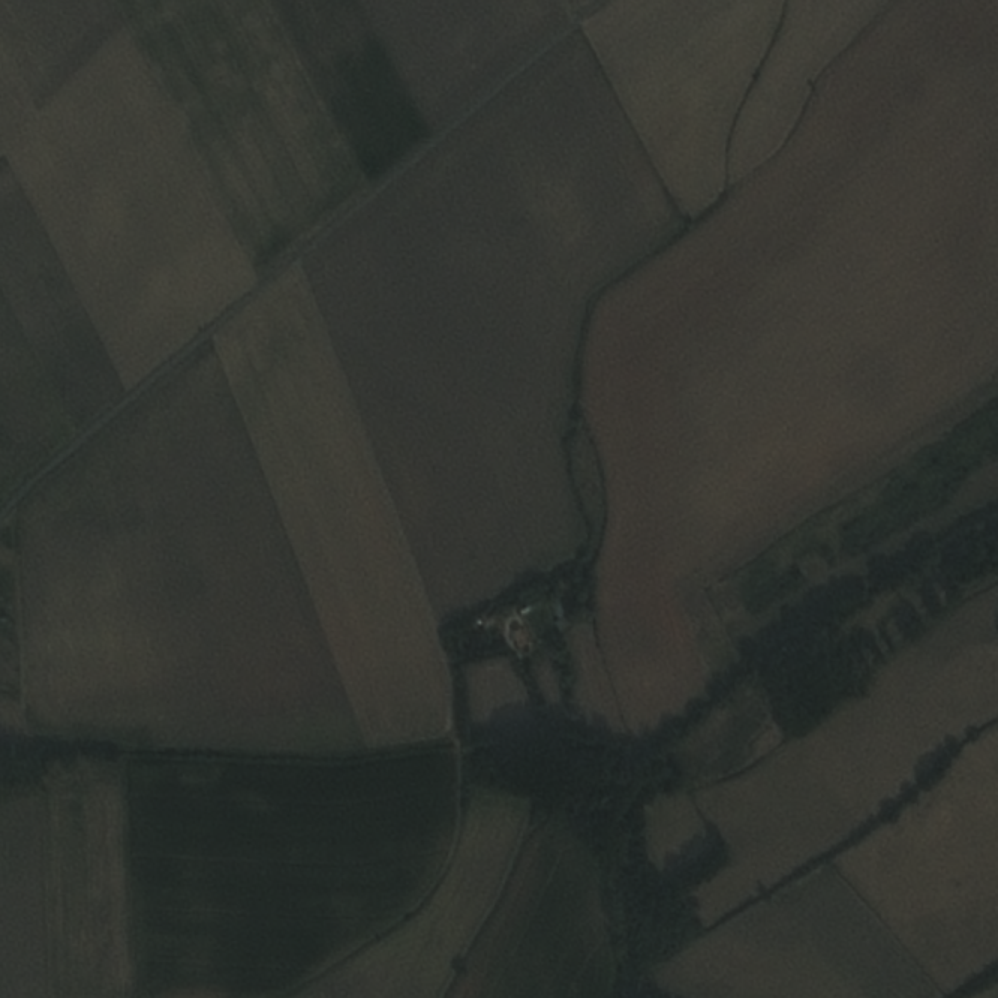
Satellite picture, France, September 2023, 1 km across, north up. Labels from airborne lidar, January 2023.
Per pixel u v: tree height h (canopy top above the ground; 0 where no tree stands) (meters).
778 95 0
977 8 0
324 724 0
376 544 0
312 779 0
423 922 0
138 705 0
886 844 0
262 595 0
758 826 0
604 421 0
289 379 0
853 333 0
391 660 0
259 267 0
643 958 7
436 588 0
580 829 27
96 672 0
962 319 0
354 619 0
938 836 0
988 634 0
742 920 0
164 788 0
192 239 0
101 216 0
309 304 0
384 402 0
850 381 0
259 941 0
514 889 0
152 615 0
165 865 0
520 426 0
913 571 20
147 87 0
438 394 0
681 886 14
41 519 0
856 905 0
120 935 0
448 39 0
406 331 0
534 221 0
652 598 0
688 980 0
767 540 0
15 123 0
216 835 0
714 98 0
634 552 0
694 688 0
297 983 0
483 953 0
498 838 0
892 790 0
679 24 0
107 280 0
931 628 0
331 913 0
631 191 0
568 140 0
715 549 0
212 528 0
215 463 0
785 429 0
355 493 0
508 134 0
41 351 0
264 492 0
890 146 0
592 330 0
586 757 36
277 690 0
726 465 0
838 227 0
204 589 0
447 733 0
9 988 0
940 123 0
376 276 0
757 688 0
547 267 0
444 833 0
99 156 0
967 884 0
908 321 0
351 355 0
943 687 0
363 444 0
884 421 0
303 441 0
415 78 0
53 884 0
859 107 0
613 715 0
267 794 0
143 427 0
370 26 0
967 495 0
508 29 0
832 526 0
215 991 0
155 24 0
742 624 0
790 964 0
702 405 0
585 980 0
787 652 31
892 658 0
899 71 0
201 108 0
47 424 0
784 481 0
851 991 0
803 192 0
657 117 0
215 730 0
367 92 0
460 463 0
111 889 0
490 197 0
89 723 0
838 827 0
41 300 0
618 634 0
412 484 0
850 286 0
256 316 0
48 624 0
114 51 0
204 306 0
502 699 0
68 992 0
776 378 0
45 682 0
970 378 0
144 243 0
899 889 0
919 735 0
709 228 0
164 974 0
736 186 0
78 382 0
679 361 0
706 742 0
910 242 0
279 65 0
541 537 0
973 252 0
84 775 0
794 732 14
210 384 0
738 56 0
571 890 0
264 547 0
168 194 0
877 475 0
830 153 0
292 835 0
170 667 0
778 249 0
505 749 36
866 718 0
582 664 0
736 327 0
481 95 0
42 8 0
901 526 9
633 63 0
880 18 0
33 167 0
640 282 0
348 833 0
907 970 0
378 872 0
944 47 0
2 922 0
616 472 0
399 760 0
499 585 0
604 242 0
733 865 0
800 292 0
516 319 0
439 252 0
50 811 0
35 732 0
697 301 0
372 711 0
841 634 32
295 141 0
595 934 0
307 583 0
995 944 0
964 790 0
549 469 0
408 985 0
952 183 0
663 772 10
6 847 0
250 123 0
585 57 0
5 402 0
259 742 0
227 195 0
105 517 0
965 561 21
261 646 0
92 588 0
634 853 13
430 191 0
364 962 0
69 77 0
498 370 0
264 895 0
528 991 0
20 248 0
